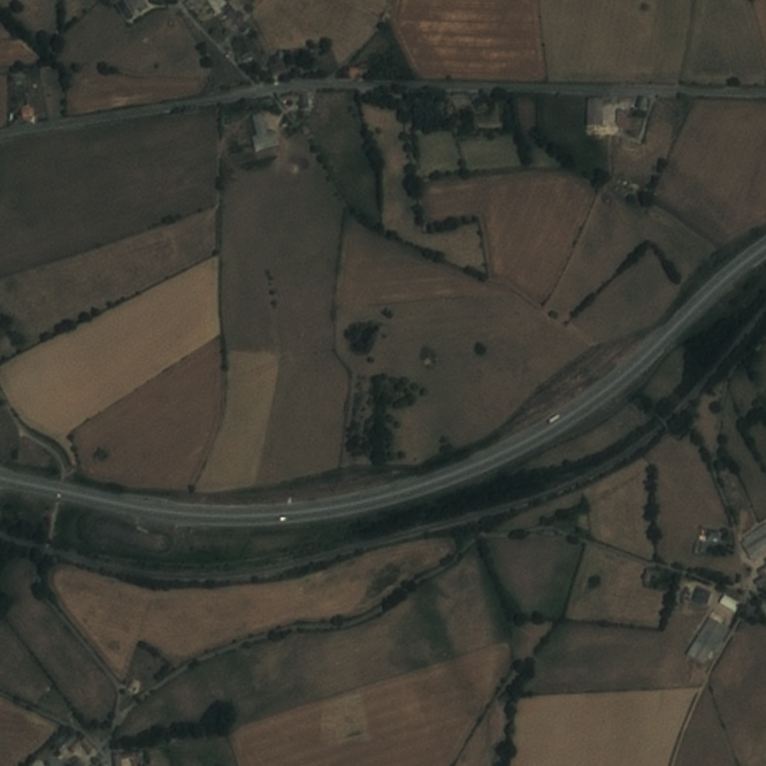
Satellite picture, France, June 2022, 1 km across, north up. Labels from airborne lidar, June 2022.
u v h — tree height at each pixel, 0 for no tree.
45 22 0
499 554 0
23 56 0
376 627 0
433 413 0
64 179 0
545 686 0
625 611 0
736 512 8
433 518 10
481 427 0
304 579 0
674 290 0
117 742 8
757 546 0
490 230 0
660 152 0
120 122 0
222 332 0
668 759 0
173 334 0
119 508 0
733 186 0
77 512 0
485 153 0
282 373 0
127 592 0
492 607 0
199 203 0
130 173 0
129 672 0
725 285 0
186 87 0
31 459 0
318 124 0
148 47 0
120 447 0
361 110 7
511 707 13
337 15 0
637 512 0
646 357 0
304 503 0
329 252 0
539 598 0
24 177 0
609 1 0
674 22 0
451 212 0
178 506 0
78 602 0
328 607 0
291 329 0
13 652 0
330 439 0
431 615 0
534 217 0
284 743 0
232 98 0
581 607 0
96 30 0
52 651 0
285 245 0
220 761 0
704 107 0
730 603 0
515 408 0
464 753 0
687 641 0
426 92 15
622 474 0
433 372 0
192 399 0
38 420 0
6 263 0
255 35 8
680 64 0
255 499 0
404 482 0
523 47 0
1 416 0
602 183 17
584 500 8
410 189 18
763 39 0
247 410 0
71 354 0
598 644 0
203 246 0
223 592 0
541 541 0
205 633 0
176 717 0
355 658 0
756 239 0
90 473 0
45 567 12
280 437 0
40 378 0
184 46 0
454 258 0
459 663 0
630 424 0
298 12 0
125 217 0
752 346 13
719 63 0
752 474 0
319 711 0
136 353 0
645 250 12
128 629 0
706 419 0
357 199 0
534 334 0
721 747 0
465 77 0
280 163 0
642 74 0
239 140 0
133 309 0
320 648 0
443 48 0
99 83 0
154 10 5
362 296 0
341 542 7
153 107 0
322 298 0
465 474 0
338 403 0
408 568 0
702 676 0
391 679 0
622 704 0
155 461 0
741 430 12
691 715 0
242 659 0
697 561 0
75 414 0
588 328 0
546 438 0
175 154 0
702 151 0
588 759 0
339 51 0
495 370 0
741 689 0
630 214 0
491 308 0
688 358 12
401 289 0
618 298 0
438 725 0
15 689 0
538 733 0
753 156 0
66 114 8
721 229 0
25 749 0
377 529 13
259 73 13
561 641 0
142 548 0
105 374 0
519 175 0
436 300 0
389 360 0
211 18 0
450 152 0
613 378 0
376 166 18
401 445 0
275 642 10
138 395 0
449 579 0
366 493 0
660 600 0
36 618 0
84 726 6
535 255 0
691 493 0
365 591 0
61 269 0
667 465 0
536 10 0
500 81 0
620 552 0
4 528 10
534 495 9
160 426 0
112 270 0
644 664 0
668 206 0
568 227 0
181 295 0
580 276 0
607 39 0
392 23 0
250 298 0
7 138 0
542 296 0
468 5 0
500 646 0
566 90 0
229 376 0
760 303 9
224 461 0
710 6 0
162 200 0
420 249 8
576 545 22
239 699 0
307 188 0
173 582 8
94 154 0
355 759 0
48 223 0
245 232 0
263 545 0
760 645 0
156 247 0
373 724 0
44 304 0
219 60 0
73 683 0
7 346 0
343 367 0
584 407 0
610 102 0
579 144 0
